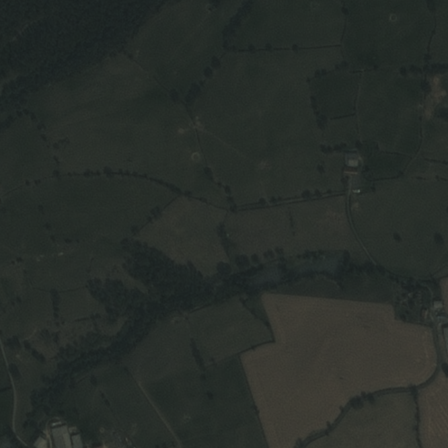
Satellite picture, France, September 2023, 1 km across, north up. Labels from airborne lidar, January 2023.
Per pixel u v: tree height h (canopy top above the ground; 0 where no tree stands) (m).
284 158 0
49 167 0
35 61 20
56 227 0
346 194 0
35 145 0
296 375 0
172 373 0
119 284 14
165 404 0
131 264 13
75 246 0
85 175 8
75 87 0
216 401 0
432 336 0
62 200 0
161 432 0
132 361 0
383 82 0
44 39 18
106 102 0
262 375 0
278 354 0
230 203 8
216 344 0
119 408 0
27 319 0
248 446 0
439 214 0
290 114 0
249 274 16
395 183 0
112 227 0
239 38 0
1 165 0
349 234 0
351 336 0
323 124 13
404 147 0
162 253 10
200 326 0
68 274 0
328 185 0
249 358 0
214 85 0
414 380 0
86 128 0
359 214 0
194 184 0
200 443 0
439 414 0
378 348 0
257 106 0
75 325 0
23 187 0
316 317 0
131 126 0
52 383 13
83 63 17
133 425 0
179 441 0
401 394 0
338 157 0
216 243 0
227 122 0
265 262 0
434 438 0
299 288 0
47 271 0
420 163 0
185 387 0
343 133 0
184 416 0
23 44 0
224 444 0
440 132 0
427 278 0
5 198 0
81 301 0
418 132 0
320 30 0
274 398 0
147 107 0
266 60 0
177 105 0
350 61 0
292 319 0
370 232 0
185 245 0
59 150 0
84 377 0
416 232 0
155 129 0
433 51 0
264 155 0
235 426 0
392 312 0
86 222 0
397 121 0
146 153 0
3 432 0
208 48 0
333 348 0
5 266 0
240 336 0
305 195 10
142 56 0
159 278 15
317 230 0
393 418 0
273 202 9
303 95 0
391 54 0
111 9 21
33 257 0
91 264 0
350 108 0
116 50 12
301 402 0
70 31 24
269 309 0
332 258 0
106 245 0
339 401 0
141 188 0
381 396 0
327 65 0
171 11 0
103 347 0
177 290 16
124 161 0
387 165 0
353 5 0
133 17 17
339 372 0
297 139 0
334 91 0
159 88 0
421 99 0
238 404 0
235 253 0
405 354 0
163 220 0
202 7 0
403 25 0
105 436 0
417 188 0
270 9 0
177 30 0
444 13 0
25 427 7
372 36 0
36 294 0
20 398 0
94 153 0
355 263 0
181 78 0
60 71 18
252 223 0
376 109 0
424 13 0
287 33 0
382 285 0
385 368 0
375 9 0
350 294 0
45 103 0
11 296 0
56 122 0
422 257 0
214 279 0
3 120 0
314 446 0
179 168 0
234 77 0
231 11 0
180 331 0
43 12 23
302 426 0
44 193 0
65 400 0
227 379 0
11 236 0
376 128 0
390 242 0
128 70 0
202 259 0
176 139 0
